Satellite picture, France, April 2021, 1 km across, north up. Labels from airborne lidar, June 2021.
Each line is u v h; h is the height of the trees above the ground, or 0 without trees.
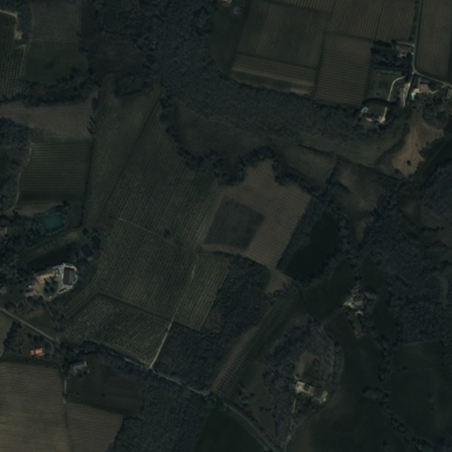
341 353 18
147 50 23
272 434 0
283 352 13
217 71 17
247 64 0
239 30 0
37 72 0
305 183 11
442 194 14
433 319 23
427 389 0
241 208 0
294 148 0
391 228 25
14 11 14
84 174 0
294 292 11
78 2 21
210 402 26
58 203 0
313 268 0
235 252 0
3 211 12
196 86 17
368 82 0
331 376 10
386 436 0
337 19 0
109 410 0
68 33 0
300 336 10
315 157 0
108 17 14
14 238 7
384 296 0
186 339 6
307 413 10
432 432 0
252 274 18
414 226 14
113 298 0
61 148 0
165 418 27
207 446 0
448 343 16
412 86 6
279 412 13
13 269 0
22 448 0
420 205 0
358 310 5
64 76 0
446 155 0
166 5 24
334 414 0
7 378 0
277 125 18
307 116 20
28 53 0
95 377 0
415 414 0
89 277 20
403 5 0
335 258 16
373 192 0
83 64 0
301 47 0
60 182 0
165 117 12
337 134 22
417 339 19
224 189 16
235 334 14
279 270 7
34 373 0
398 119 15
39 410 0
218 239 0
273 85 0
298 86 0
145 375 15
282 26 0
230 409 11
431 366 0
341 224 18
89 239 14
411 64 10
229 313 10
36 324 0
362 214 0
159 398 17
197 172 17
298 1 0
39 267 0
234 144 0
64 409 0
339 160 6
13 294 10
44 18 0
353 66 0
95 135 17
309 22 0
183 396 18
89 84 18
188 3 24
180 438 12
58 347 16
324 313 0
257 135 8
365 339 0
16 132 19
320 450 0
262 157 24
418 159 0
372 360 0
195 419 21
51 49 0
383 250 24
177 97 19
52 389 0
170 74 20
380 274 0
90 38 0
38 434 0
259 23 0
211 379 21
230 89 23
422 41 0
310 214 18
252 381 0
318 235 0
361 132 19
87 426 0
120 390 0
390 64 13
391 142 0
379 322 0
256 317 17
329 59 0
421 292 14
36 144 0
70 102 16
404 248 24
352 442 0
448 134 11
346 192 17
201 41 19
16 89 6
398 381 0
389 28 0
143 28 9
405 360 0
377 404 0
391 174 0
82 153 0
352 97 0
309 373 0
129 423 11
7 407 0
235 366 11
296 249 14
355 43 0
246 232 0
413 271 22
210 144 0
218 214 0
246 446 0
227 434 0
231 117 18
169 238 20
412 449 0
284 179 20
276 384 15
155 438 21
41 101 13
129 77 12
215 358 19
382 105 6
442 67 0
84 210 10
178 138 7
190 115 0
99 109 32
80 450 0
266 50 0
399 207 17
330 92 0
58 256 0
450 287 6
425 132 0
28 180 0
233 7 0
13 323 0
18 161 8
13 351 9
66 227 8
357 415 0
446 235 0
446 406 0
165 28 25
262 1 0
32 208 0
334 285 0
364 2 0
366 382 0
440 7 0
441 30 0
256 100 22
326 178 0
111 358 26
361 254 16
